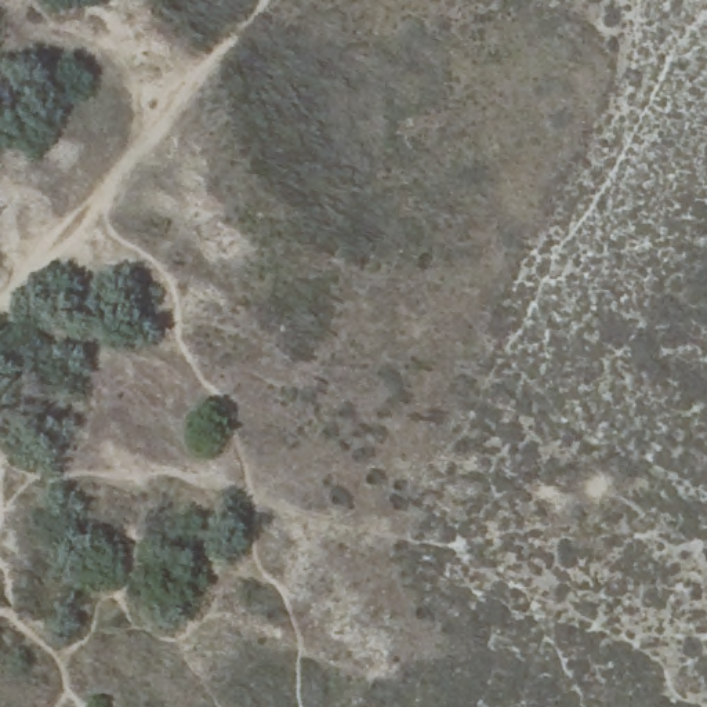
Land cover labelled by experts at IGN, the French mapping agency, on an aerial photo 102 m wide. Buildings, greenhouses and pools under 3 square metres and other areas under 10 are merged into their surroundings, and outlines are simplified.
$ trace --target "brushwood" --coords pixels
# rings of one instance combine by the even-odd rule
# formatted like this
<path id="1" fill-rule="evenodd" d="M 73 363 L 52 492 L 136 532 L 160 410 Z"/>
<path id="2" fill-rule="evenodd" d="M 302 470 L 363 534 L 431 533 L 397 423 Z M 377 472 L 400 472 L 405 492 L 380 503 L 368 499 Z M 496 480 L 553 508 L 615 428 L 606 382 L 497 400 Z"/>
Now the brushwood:
<path id="1" fill-rule="evenodd" d="M 83 265 L 72 260 L 52 260 L 41 271 L 30 273 L 30 279 L 14 290 L 11 307 L 0 312 L 0 453 L 8 464 L 39 472 L 39 481 L 30 483 L 28 492 L 36 494 L 39 508 L 61 514 L 64 483 L 69 481 L 69 447 L 75 445 L 86 423 L 80 409 L 91 395 L 91 378 L 99 365 L 99 351 L 146 351 L 149 345 L 160 345 L 166 340 L 166 331 L 174 326 L 171 312 L 163 309 L 166 287 L 152 276 L 152 271 L 144 262 L 119 262 L 105 271 L 86 271 Z"/>
<path id="2" fill-rule="evenodd" d="M 64 690 L 55 660 L 30 646 L 17 627 L 0 619 L 0 707 L 52 707 Z"/>
<path id="3" fill-rule="evenodd" d="M 0 39 L 0 157 L 8 149 L 19 149 L 30 160 L 44 157 L 61 141 L 72 108 L 83 99 L 91 99 L 99 91 L 99 61 L 91 52 L 64 50 L 44 41 L 25 50 L 6 50 Z"/>
<path id="4" fill-rule="evenodd" d="M 240 423 L 238 406 L 229 398 L 210 395 L 191 411 L 185 425 L 191 453 L 202 461 L 218 458 L 226 450 Z"/>

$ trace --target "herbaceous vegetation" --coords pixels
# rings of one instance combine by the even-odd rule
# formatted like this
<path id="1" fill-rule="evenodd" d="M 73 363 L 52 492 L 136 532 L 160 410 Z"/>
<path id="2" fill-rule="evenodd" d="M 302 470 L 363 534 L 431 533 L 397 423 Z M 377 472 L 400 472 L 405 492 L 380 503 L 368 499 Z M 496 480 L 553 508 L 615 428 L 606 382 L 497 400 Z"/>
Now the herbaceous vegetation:
<path id="1" fill-rule="evenodd" d="M 108 25 L 97 14 L 91 14 L 88 6 L 105 6 L 108 0 L 0 0 L 0 39 L 6 50 L 25 50 L 44 41 L 64 50 L 91 52 L 108 30 Z"/>
<path id="2" fill-rule="evenodd" d="M 155 152 L 146 155 L 130 171 L 130 177 L 113 199 L 113 210 L 97 218 L 102 240 L 88 240 L 91 260 L 83 265 L 86 271 L 105 271 L 119 262 L 144 262 L 152 271 L 152 276 L 166 287 L 163 309 L 171 312 L 174 326 L 166 331 L 166 340 L 160 345 L 149 345 L 146 351 L 99 351 L 99 365 L 91 378 L 91 395 L 80 409 L 86 423 L 75 445 L 69 447 L 69 481 L 64 483 L 61 514 L 39 508 L 36 494 L 28 492 L 6 516 L 6 522 L 17 533 L 19 547 L 0 550 L 0 558 L 11 563 L 19 616 L 44 621 L 47 635 L 61 649 L 77 638 L 91 641 L 88 646 L 80 646 L 72 655 L 72 690 L 64 690 L 52 707 L 707 707 L 707 0 L 146 0 L 157 36 L 163 41 L 180 44 L 188 55 L 199 58 L 191 69 L 196 72 L 202 86 L 196 97 L 180 110 L 177 122 L 160 138 Z M 240 423 L 226 450 L 218 458 L 202 461 L 191 453 L 185 425 L 191 411 L 210 395 L 229 398 L 238 406 Z"/>
<path id="3" fill-rule="evenodd" d="M 72 108 L 61 141 L 44 157 L 30 160 L 19 149 L 8 149 L 0 157 L 0 177 L 8 177 L 17 188 L 36 188 L 39 193 L 50 196 L 50 210 L 58 218 L 94 196 L 108 171 L 127 152 L 133 127 L 133 102 L 124 86 L 122 66 L 108 55 L 102 55 L 99 61 L 99 91 L 91 99 L 83 99 Z"/>

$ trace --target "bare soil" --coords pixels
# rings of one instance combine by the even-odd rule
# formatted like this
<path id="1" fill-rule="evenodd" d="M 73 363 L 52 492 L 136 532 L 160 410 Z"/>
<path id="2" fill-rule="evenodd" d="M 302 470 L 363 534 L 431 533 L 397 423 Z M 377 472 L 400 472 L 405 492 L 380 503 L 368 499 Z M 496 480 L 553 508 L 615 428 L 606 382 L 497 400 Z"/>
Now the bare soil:
<path id="1" fill-rule="evenodd" d="M 6 516 L 28 492 L 30 483 L 39 481 L 39 472 L 8 464 L 0 453 L 0 550 L 19 547 L 17 533 L 6 522 Z"/>
<path id="2" fill-rule="evenodd" d="M 64 690 L 72 690 L 72 655 L 80 646 L 88 646 L 91 641 L 77 638 L 61 649 L 47 635 L 44 621 L 19 616 L 11 563 L 0 558 L 0 619 L 17 627 L 30 646 L 55 660 Z"/>
<path id="3" fill-rule="evenodd" d="M 91 260 L 88 240 L 102 240 L 97 218 L 113 210 L 113 199 L 130 177 L 130 171 L 146 155 L 155 152 L 160 138 L 177 122 L 180 110 L 196 97 L 202 86 L 196 72 L 191 69 L 199 58 L 188 55 L 180 44 L 163 41 L 157 36 L 146 0 L 108 0 L 105 6 L 88 6 L 91 14 L 97 14 L 108 25 L 108 30 L 91 52 L 99 61 L 102 55 L 108 55 L 122 66 L 124 86 L 133 102 L 133 127 L 127 152 L 108 171 L 94 196 L 58 218 L 50 210 L 50 196 L 39 193 L 36 188 L 17 188 L 8 177 L 0 177 L 0 312 L 11 307 L 14 290 L 30 279 L 30 273 L 41 271 L 52 260 L 72 260 L 83 265 Z"/>

